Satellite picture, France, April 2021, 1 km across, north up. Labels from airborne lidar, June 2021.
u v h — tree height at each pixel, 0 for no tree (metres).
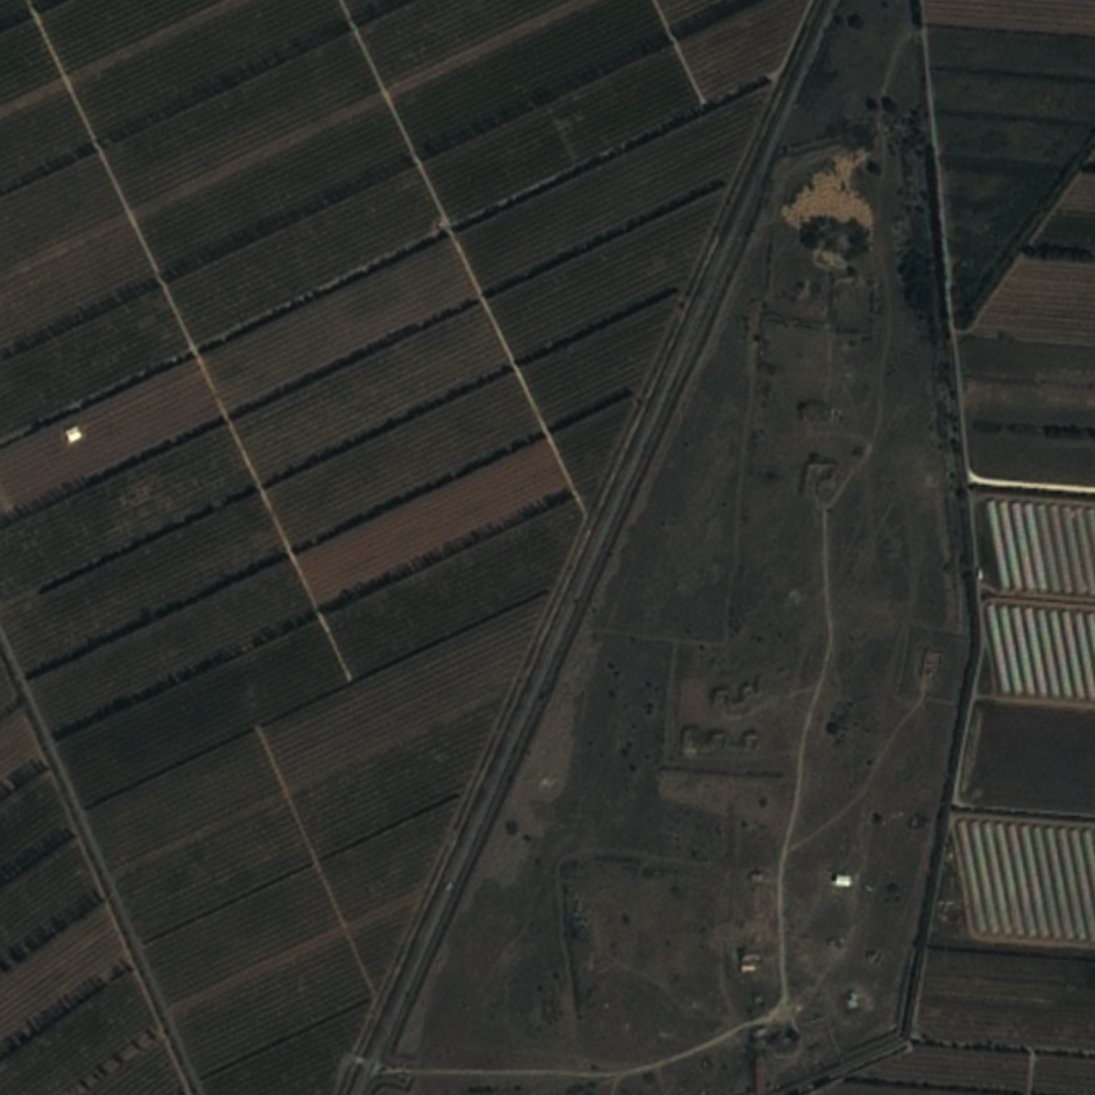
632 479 0
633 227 10
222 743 8
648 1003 0
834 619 0
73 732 14
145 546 10
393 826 7
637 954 0
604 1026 0
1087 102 0
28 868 20
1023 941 0
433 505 0
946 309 10
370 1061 0
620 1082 0
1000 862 0
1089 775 0
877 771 0
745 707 0
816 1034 0
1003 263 7
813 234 9
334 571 0
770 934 0
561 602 0
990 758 0
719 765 0
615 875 0
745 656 0
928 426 0
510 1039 0
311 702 8
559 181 8
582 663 0
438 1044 0
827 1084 8
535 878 0
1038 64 0
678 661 0
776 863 0
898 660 0
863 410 0
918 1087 9
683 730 0
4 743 0
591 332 10
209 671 15
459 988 0
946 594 0
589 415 11
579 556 0
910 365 0
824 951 0
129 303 19
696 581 0
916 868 0
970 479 0
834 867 0
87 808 8
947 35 0
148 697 13
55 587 9
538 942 0
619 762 0
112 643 11
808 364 0
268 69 16
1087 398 0
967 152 0
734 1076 0
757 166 0
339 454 12
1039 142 0
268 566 12
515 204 11
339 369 11
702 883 0
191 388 0
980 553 0
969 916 0
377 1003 0
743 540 0
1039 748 0
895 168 0
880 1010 0
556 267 11
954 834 0
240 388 0
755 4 25
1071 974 0
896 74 0
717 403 0
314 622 13
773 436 0
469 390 9
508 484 0
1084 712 0
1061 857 0
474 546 19
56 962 0
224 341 6
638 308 9
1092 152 0
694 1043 0
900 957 0
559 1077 0
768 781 0
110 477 10
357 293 0
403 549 0
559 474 0
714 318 0
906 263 8
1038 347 0
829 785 0
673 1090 0
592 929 0
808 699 0
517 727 0
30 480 0
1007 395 0
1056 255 17
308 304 9
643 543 0
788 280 0
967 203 0
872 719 0
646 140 10
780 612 0
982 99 0
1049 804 0
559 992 0
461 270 0
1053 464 0
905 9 0
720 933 0
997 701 0
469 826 0
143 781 9
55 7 21
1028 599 0
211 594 11
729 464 0
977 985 0
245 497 10
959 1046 7
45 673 11
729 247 0
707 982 0
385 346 11
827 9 0
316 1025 6
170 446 10
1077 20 0
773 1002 0
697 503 0
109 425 0
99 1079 10
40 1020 0
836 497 0
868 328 0
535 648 0
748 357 0
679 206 11
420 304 0
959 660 0
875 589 0
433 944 0
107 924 0
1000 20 0
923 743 0
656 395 0
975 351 0
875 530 0
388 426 6
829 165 0
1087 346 0
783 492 0
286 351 0
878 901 0
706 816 0
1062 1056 10
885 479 0
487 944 0
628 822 0
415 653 8
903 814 0
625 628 0
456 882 0
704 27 23
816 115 0
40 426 11
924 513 0
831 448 0
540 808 0
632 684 0
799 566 0
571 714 0
